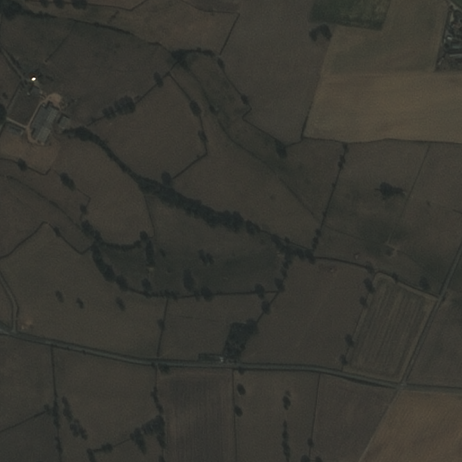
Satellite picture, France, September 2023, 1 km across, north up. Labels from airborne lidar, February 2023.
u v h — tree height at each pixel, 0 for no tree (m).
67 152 0
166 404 0
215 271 0
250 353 0
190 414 0
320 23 0
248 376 0
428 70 0
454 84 0
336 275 0
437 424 0
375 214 0
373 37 0
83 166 0
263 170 0
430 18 0
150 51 0
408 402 0
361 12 0
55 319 0
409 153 0
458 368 0
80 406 0
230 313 0
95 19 0
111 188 0
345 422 0
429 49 0
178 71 0
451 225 0
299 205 0
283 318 0
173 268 0
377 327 0
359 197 0
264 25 0
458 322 0
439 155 0
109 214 0
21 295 0
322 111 0
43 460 0
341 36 0
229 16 0
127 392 0
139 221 0
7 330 0
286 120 0
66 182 15
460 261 0
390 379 0
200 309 0
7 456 0
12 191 0
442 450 0
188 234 0
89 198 0
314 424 0
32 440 0
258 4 0
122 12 0
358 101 0
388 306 0
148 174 0
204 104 0
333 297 0
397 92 0
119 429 0
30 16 8
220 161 0
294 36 0
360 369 0
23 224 0
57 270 0
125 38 0
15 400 0
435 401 0
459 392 0
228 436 0
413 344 0
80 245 0
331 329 0
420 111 0
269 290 0
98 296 0
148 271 0
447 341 0
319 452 0
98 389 0
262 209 0
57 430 0
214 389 0
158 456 0
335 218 0
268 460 0
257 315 0
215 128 0
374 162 0
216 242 0
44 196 0
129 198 0
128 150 0
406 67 0
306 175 0
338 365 0
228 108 0
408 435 0
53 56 0
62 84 0
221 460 0
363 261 0
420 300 0
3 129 0
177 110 0
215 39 0
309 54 0
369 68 0
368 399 0
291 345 0
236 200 0
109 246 8
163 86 0
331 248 0
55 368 0
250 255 0
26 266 0
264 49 0
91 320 0
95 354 0
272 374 0
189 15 0
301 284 0
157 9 0
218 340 0
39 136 0
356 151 0
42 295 0
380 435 0
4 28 0
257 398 0
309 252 0
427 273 0
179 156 0
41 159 0
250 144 0
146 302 0
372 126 0
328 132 0
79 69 0
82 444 0
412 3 0
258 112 0
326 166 0
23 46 0
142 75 0
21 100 0
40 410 0
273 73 0
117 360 0
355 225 0
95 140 11
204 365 0
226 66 0
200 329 0
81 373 0
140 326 0
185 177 0
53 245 0
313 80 0
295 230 0
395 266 0
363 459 0
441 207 0
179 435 0
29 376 0
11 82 0
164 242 0
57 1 16
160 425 19
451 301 0
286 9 0
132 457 0
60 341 0
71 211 0
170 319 0
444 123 0
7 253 0
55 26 0
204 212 17
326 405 0
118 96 0
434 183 0
